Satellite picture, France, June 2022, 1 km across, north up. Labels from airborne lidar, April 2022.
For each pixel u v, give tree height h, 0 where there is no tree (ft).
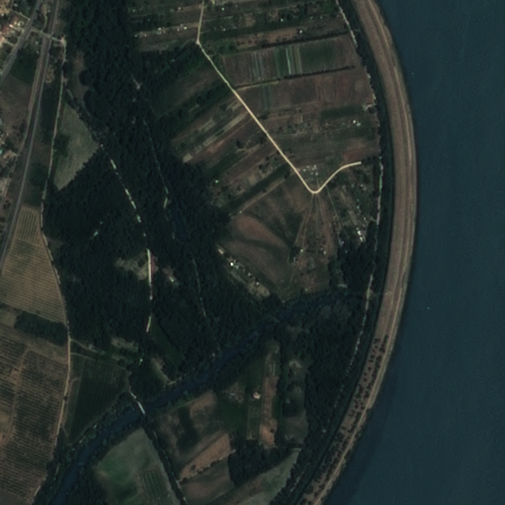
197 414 0
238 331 79
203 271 80
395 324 0
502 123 0
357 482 0
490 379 0
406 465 0
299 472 69
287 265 0
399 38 0
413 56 0
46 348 0
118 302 88
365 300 68
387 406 0
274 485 0
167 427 0
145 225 62
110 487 0
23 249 0
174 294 68
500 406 0
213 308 72
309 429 27
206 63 19
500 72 0
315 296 32
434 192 0
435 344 0
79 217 51
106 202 55
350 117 0
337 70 40
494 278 0
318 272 0
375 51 0
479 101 0
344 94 0
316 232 0
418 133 0
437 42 0
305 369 0
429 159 0
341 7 51
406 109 0
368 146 0
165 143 46
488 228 0
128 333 58
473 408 0
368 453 0
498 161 0
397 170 0
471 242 0
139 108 79
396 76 0
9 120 0
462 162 0
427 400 0
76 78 0
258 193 0
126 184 42
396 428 0
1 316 0
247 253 0
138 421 19
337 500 0
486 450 0
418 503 0
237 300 45
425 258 0
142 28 45
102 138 80
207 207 56
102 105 124
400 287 0
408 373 0
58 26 0
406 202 0
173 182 106
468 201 0
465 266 0
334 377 34
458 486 0
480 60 0
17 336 0
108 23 95
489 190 0
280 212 0
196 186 38
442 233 0
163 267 40
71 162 0
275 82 24
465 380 0
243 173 0
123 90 68
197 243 73
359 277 62
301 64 0
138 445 0
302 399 0
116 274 81
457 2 0
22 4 48
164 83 48
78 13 62
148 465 0
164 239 67
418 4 0
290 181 0
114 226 72
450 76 0
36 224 0
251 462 89
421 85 0
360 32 38
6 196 0
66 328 27
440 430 0
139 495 0
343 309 76
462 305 0
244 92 0
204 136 0
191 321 54
